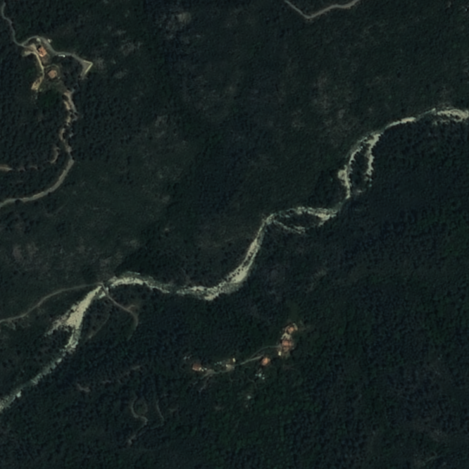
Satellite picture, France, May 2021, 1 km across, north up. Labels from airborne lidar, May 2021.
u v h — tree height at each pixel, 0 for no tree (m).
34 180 19
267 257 11
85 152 6
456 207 20
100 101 24
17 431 9
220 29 5
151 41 16
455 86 12
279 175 5
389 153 23
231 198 15
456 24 7
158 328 8
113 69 8
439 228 26
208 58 6
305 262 9
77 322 0
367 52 11
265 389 12
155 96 14
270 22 19
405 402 6
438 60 7
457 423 24
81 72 22
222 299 17
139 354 10
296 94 10
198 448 7
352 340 24
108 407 5
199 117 5
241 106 15
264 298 8
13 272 5
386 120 10
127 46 8
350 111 8
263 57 9
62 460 6
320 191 27
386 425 13
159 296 25
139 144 9
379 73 13
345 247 6
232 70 6
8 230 20
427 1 11
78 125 24
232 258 19
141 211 6
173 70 7
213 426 10
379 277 9
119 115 20
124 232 7
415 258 25
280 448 7
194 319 6
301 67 8
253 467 11
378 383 8
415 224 16
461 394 8
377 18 9
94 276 10
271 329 17
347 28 8
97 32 5
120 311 19
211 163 7
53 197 20
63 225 15
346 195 15
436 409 19
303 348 23
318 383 8
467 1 17
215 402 5
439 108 7
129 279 0
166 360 24
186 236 7
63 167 19
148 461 12
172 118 14
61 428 23
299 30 9
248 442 9
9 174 11
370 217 9
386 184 9
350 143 7
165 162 6
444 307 16
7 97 19
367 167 23
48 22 16
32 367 14
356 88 13
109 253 7
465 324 14
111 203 6
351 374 8
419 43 8
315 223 28
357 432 7
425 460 6
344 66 12
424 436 22
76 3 12
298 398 6
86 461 18
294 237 26
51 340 13
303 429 20
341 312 8
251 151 9
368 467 7
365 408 8
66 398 6
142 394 22
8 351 7
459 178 11
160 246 6
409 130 33
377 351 19
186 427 19
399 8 11
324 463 16
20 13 27
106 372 21
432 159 7
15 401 10
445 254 13
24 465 6
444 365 12
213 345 6
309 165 12
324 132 14
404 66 6
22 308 6
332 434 9
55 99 16
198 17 9
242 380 11
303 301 10
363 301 6
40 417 13
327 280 11
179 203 20
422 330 8
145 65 7
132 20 8
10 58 23
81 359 11
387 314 20
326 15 8
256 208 11
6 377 8
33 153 17
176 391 8
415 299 7
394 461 7
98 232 6
